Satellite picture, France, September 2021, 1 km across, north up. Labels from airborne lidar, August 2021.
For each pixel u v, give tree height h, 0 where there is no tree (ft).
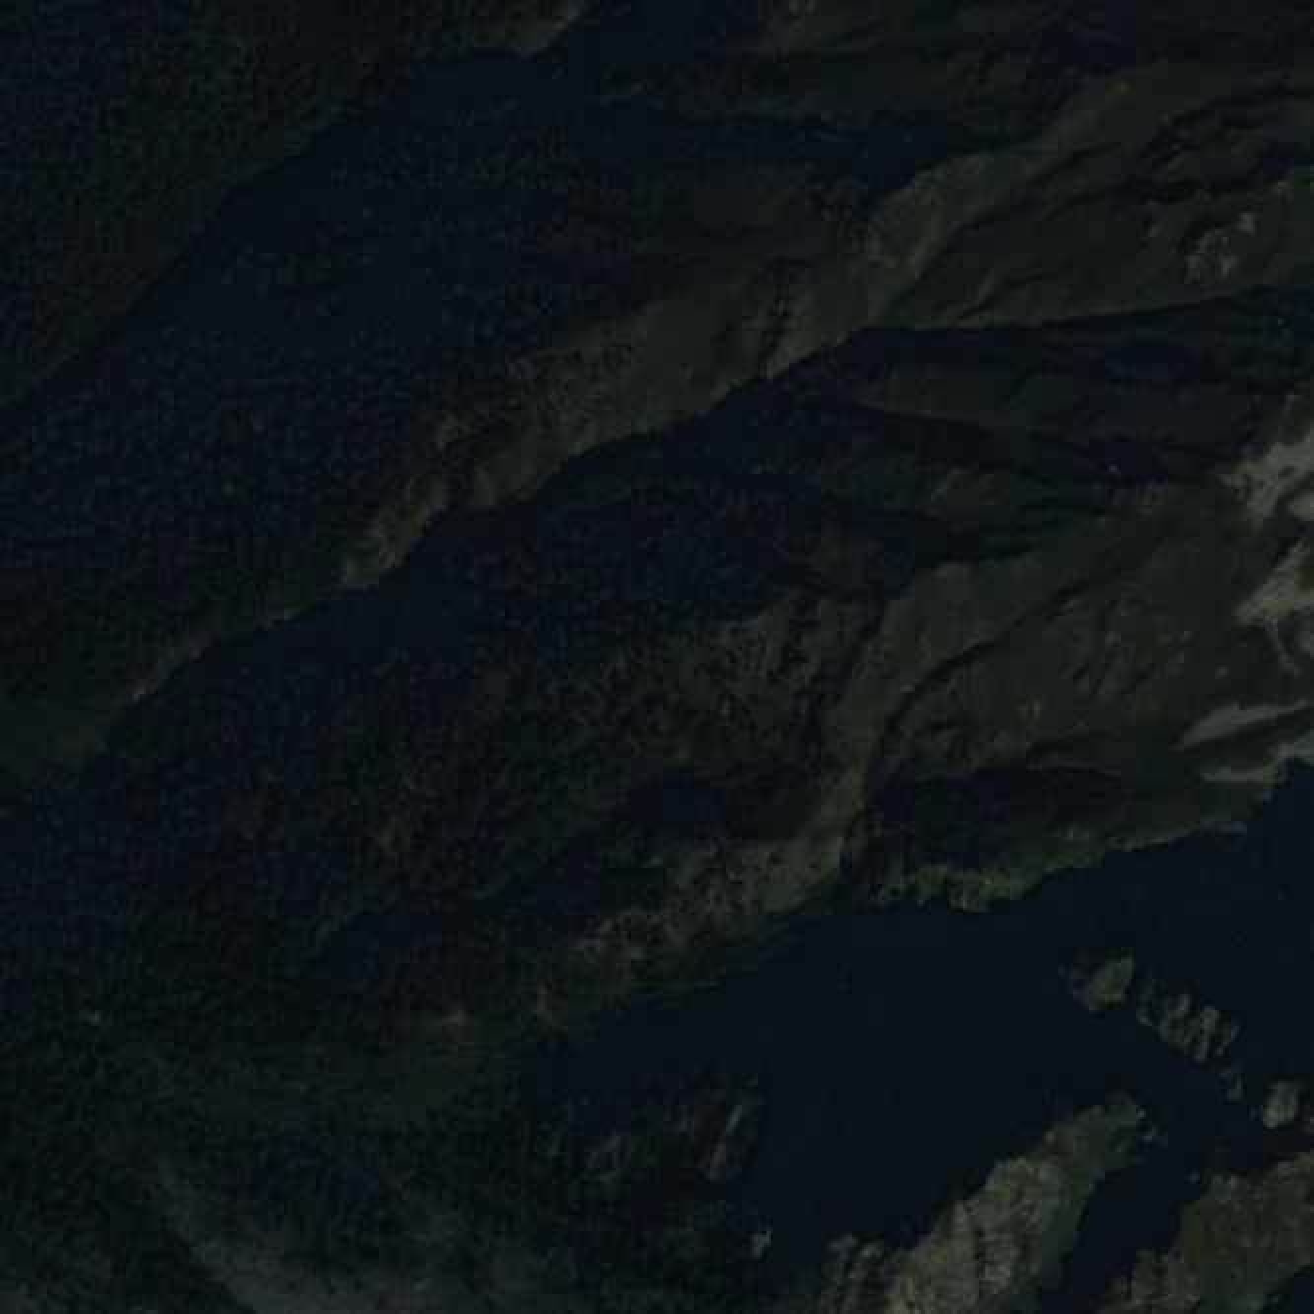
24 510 38
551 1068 34
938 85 0
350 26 88
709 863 34
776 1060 54
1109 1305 0
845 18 0
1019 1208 32
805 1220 58
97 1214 45
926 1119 26
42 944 90
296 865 50
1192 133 0
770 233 0
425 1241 0
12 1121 40
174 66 57
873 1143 20
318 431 46
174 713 32
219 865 60
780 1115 35
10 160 66
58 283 80
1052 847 0
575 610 37
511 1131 31
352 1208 24
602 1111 23
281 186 45
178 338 70
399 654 32
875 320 0
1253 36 0
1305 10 0
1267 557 0
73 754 0
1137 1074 25
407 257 21
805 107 0
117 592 64
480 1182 29
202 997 22
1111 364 0
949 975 23
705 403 0
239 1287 0
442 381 61
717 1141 19
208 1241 0
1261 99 0
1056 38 0
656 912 26
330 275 20
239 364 85
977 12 0
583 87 20
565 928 65
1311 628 0
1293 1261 0
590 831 21
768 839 0
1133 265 0
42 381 51
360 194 25
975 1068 22
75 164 25
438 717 43
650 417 0
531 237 34
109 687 19
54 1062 24
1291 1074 0
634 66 32
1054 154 0
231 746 61
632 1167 32
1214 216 0
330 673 26
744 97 26
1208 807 0
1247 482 0
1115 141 0
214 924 74
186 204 26
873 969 23
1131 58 0
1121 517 0
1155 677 0
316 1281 0
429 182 30
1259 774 0
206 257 59
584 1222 31
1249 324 0
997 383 0
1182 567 0
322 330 48
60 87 82
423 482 38
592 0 22
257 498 27
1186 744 0
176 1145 28
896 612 0
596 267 25
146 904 67
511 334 22
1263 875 0
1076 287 0
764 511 45
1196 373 0
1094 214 0
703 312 0
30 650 47
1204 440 0
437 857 46
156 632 51
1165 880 29
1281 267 0
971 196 0
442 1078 0
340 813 31
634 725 39
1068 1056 23
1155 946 19
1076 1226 0
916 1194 33
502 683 0
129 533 32
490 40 25
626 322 0
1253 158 0
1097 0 0
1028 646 0
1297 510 0
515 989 46
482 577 21
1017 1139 19
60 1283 33
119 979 37
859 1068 24
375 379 58
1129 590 0
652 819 24
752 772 24
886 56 0
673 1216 25
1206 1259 0
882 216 0
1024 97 0
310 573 33
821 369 0
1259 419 0
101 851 61
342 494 30
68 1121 37
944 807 0
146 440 79
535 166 49
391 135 38
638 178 30
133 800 60
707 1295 34
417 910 72
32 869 97
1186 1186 23
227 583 36
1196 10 0
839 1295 29
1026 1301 0
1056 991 21
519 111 40
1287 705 0
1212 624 0
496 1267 0
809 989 19
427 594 26
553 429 18
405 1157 27
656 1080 22
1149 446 0
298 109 92
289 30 73
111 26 24
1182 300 0
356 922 35
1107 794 0
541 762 35
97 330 42
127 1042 26
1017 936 27
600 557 23
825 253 0
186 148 61
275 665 22
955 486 0
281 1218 25
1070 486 0
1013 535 0
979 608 0
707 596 20
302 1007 33
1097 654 0
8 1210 36
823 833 0
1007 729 0
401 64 29
